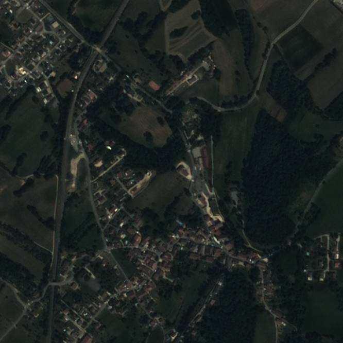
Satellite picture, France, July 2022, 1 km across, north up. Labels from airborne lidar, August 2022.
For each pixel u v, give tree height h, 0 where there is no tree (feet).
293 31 0
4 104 51
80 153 0
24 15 0
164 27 0
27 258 0
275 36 0
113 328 0
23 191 40
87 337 0
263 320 0
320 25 0
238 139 0
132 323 0
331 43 0
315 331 0
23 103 0
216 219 0
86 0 0
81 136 50
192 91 0
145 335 47
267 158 75
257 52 0
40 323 25
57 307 0
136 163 68
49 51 0
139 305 24
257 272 55
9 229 37
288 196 42
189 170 0
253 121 0
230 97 0
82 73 0
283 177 70
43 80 0
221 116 55
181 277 44
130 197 46
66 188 0
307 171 41
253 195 50
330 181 0
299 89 58
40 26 0
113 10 0
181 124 79
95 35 61
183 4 52
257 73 0
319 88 0
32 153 0
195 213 34
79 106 18
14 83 0
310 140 0
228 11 0
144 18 54
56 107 0
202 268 0
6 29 0
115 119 78
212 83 0
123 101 74
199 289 0
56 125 47
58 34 0
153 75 0
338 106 28
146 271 0
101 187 0
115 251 0
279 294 39
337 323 0
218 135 59
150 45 0
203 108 25
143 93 45
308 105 51
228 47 0
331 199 0
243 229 20
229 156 0
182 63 79
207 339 41
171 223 22
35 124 0
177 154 97
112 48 31
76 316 22
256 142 64
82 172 0
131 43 0
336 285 40
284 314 24
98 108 79
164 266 0
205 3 71
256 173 73
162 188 0
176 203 27
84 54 53
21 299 0
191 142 58
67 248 54
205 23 31
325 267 35
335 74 0
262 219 45
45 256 49
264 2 0
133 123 0
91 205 0
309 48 0
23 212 0
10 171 35
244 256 0
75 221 0
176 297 0
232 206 0
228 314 60
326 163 33
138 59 0
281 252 78
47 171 25
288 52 0
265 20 0
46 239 0
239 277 63
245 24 42
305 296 0
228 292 52
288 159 75
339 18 0
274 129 74
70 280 0
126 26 53
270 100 0
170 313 0
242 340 73
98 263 18
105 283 19
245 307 82
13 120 0
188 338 56
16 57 0
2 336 0
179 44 0
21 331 0
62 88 0
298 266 27
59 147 30
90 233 0
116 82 45
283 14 0
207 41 0
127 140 82
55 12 0
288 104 62
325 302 0
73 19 46
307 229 22
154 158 95
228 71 0
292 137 63
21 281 21
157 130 0
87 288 0
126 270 0
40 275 0
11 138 0
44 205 0
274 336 0
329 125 0
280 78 58
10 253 0
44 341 0
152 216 34
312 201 0
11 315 0
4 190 0
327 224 0
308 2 0
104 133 70
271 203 61
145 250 0
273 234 69
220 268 27
